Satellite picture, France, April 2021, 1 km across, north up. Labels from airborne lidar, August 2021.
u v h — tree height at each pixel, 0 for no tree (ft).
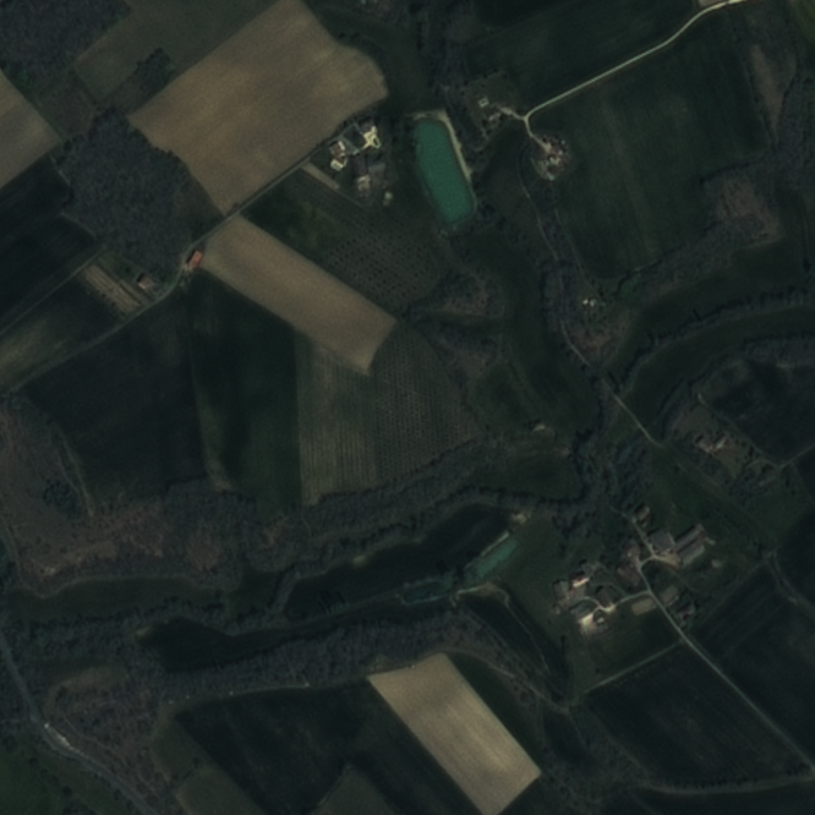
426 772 0
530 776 0
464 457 30
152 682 38
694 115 0
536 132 0
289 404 0
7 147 0
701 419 0
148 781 39
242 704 0
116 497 0
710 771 0
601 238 0
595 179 0
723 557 0
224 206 0
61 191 0
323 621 0
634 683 0
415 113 0
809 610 0
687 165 0
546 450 0
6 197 0
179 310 0
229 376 0
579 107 0
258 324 0
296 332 0
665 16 0
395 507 54
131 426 0
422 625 45
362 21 0
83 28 58
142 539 34
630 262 0
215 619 63
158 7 0
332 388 0
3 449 28
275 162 0
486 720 0
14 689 60
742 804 0
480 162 31
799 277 0
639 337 0
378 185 0
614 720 0
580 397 0
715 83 0
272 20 0
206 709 0
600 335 33
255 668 35
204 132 0
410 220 0
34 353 0
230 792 0
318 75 0
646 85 0
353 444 0
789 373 0
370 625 35
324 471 0
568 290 37
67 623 0
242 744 0
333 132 0
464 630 28
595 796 0
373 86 0
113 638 25
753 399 0
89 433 0
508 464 22
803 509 0
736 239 33
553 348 0
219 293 0
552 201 29
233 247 0
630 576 0
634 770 46
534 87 0
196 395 0
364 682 0
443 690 0
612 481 87
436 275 0
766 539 0
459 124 28
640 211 0
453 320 0
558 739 0
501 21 0
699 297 0
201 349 0
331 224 0
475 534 0
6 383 0
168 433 0
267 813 0
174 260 52
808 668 0
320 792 0
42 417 19
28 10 40
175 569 62
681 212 0
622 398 42
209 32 0
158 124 0
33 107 0
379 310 0
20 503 0
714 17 0
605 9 0
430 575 0
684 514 0
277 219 0
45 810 0
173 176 39
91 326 0
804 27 0
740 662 0
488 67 0
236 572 53
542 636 0
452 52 42
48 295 0
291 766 0
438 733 0
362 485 0
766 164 40
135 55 0
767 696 0
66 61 47
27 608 0
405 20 52
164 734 0
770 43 0
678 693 0
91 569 44
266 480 0
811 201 0
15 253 0
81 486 33
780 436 0
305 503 0
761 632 0
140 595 0
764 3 0
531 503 57
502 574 0
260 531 41
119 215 59
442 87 26
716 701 0
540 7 0
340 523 44
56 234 0
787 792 0
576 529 32
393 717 0
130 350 0
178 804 36
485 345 24
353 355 0
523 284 0
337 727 0
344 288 0
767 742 0
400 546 0
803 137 57
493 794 0
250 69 0
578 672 0
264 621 58
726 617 0
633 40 0
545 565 0
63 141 0
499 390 0
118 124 68
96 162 64
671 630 0
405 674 0
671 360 0
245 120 0
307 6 0
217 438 0
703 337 0
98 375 0
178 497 45
